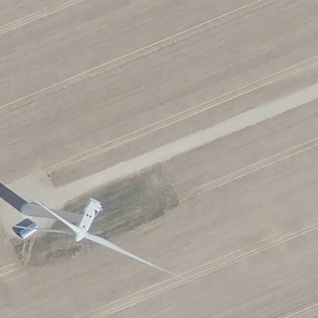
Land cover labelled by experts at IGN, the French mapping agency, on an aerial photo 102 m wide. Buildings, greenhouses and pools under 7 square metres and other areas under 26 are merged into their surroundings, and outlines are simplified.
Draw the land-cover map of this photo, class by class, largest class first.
<instances>
[{"label":"agricultural land","instance_id":"1","mask_svg":"<svg viewBox=\"0 0 318 318\"><path fill-rule=\"evenodd\" d=\"M318 83V0H0V183L6 186L29 174L32 180H39L42 185L53 184L58 188ZM56 217L57 221L53 222L52 226L41 227L29 238L17 240L6 234L0 219V318H318V98L261 122L247 125L188 152L174 155L173 158L140 170V173L98 186L67 202L62 209L51 207L47 210Z\"/></svg>","mask_w":318,"mask_h":318},{"label":"pervious surface","instance_id":"2","mask_svg":"<svg viewBox=\"0 0 318 318\"><path fill-rule=\"evenodd\" d=\"M318 98V83L58 188L53 184L42 185L39 180H32L29 174L6 186L0 183V219L6 234L17 240L29 238L41 227L52 226L53 222L46 217L30 216L20 212L27 201H35L47 210L51 207L62 209L67 202L98 186L140 173V170L173 158L174 155L188 152L247 125L261 122Z\"/></svg>","mask_w":318,"mask_h":318},{"label":"impervious surface","instance_id":"3","mask_svg":"<svg viewBox=\"0 0 318 318\"><path fill-rule=\"evenodd\" d=\"M20 212L30 216L46 217L53 222L57 221L56 217L47 210L35 201H27Z\"/></svg>","mask_w":318,"mask_h":318}]
</instances>
